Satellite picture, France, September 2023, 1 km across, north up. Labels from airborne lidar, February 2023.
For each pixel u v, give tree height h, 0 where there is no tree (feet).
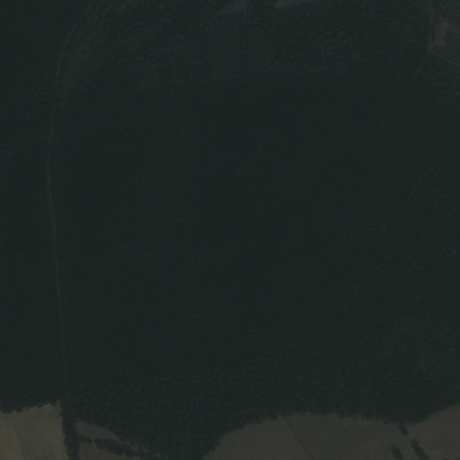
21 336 59
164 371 62
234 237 55
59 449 0
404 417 63
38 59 54
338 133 73
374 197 73
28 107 63
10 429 0
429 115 60
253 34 49
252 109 77
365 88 90
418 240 82
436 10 49
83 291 65
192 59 66
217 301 75
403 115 78
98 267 63
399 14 22
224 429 59
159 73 56
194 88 55
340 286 69
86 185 55
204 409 65
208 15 76
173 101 59
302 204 71
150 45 75
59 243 52
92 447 0
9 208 61
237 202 71
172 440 66
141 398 75
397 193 65
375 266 78
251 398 63
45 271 58
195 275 67
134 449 0
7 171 63
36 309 55
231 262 66
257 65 34
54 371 67
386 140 73
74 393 61
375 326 81
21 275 63
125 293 61
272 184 78
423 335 57
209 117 51
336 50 34
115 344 73
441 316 58
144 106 59
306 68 69
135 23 22
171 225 61
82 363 72
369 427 0
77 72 57
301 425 0
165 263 67
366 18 86
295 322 61
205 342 75
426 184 68
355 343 68
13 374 71
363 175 82
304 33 33
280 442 0
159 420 75
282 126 87
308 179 90
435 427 0
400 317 57
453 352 63
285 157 83
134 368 68
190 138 52
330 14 42
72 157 65
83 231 56
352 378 65
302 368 65
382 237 54
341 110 89
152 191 48
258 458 0
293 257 64
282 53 27
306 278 73
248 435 0
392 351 70
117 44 68
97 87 63
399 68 84
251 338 68
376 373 80
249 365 64
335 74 80
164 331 67
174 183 50
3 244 56
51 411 0
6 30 58
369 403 55
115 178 52
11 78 47
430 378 75
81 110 50
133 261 72
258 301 68
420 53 74
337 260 74
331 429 0
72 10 54
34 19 55
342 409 48
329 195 79
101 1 35
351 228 77
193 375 70
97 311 65
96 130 66
